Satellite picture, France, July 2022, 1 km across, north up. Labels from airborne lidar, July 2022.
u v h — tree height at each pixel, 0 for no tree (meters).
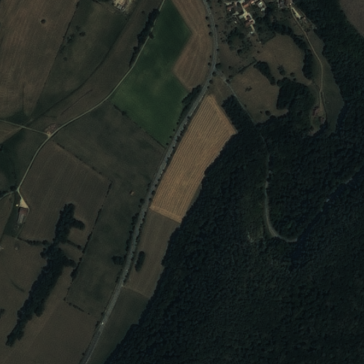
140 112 0
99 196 0
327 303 25
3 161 0
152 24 14
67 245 0
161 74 0
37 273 0
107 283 0
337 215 23
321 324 20
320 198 28
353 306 23
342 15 10
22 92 0
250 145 22
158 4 0
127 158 0
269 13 30
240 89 0
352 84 19
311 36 0
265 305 14
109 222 0
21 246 0
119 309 0
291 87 9
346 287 19
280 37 0
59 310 0
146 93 0
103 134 0
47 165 0
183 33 0
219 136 0
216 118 0
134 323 0
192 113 0
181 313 33
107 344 0
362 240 23
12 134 0
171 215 0
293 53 0
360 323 24
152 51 0
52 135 0
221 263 18
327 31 23
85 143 0
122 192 0
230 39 13
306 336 20
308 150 29
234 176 23
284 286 21
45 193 0
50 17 0
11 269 0
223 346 18
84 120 0
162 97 0
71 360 0
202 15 0
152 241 0
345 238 15
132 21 0
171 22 0
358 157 22
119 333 0
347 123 27
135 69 0
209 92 0
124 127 0
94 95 0
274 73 0
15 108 0
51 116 0
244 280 15
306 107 31
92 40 0
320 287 21
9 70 0
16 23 0
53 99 0
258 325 15
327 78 0
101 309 0
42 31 0
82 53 0
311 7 27
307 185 24
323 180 19
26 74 0
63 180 0
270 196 27
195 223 25
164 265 12
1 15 0
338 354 25
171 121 0
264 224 7
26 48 0
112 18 0
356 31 10
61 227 19
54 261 26
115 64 0
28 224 0
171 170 0
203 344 13
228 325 14
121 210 0
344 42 14
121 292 0
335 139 28
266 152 23
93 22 0
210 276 20
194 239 25
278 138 17
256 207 19
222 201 21
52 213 0
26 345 0
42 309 14
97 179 0
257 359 23
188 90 0
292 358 26
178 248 28
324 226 23
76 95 0
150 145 0
